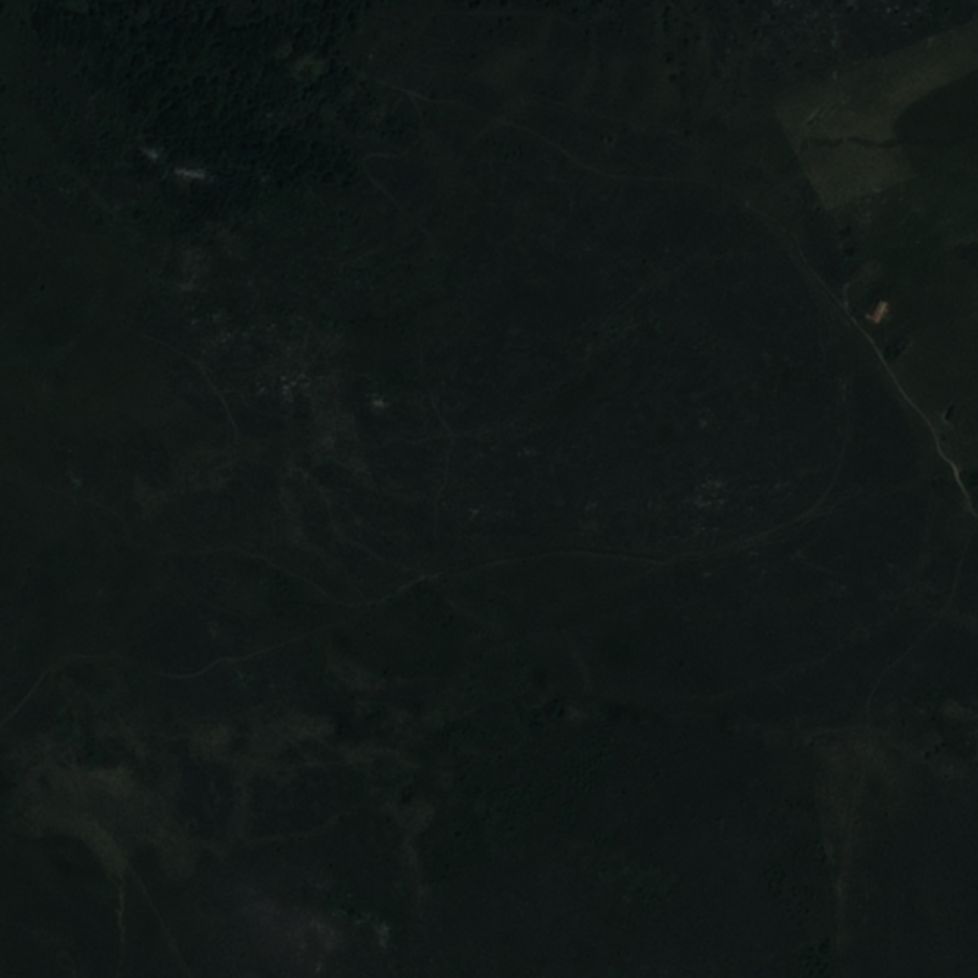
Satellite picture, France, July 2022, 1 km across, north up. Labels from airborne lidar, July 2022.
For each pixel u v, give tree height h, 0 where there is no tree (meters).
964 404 0
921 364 0
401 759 0
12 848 0
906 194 0
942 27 0
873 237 0
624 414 0
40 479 0
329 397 0
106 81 8
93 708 0
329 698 0
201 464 0
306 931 0
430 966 0
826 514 0
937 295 0
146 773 0
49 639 0
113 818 0
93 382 0
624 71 0
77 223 0
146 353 0
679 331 0
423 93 0
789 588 0
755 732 0
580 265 0
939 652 0
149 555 0
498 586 0
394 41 0
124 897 0
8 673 0
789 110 0
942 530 0
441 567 0
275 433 0
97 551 0
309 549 0
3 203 0
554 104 0
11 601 0
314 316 0
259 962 0
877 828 0
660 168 0
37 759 0
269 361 0
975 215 0
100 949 0
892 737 0
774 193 0
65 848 0
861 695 0
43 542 0
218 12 9
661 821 0
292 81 7
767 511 0
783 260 0
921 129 0
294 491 0
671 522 0
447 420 0
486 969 0
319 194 0
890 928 0
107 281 0
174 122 11
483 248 0
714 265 0
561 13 0
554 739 0
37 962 0
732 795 0
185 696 0
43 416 0
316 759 0
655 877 0
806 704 0
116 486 0
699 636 0
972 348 0
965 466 0
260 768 0
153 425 0
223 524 0
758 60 0
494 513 0
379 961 0
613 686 0
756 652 0
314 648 0
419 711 0
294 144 10
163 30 13
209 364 0
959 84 0
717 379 0
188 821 0
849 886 0
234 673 0
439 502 0
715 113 0
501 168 0
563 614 0
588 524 0
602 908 0
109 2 8
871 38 0
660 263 0
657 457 0
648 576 0
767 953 0
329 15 8
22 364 0
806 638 0
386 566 0
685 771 0
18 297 0
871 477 0
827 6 0
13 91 0
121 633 0
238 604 0
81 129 0
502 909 0
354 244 0
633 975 0
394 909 0
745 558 0
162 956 0
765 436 0
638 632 0
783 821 0
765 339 0
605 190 0
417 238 0
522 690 0
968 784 0
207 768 0
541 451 0
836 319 0
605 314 0
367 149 0
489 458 0
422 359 0
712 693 0
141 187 0
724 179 0
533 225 0
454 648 0
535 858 0
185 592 0
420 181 0
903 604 0
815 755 0
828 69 0
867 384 0
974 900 0
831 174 0
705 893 0
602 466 0
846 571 0
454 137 0
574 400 0
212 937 0
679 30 0
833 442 0
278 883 0
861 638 0
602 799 0
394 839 0
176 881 0
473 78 0
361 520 0
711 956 0
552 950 0
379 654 0
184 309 0
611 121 0
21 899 0
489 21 0
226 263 0
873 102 0
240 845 0
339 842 0
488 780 0
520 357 0
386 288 0
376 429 0
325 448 0
